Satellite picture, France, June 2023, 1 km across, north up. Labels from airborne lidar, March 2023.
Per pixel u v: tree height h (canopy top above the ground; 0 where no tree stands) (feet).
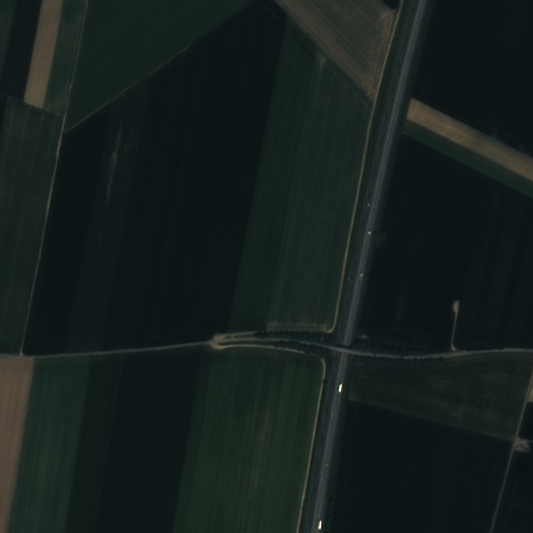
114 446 0
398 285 0
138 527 0
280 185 0
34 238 0
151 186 0
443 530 0
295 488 0
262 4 0
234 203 0
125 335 0
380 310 0
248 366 0
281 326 0
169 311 0
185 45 0
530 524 0
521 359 0
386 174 0
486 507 0
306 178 0
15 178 0
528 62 0
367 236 0
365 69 0
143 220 0
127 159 0
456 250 0
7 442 0
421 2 0
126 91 0
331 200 0
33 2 0
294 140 0
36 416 0
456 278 0
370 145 0
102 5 0
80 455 0
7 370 0
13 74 0
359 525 0
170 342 0
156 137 0
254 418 0
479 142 0
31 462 0
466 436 0
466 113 0
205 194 0
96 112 0
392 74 0
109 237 0
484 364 0
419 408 0
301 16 0
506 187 0
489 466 0
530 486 0
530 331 0
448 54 0
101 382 0
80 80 0
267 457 0
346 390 0
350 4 0
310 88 0
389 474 0
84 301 0
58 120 0
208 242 0
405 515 0
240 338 0
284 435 0
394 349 38
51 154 0
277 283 0
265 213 0
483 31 0
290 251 0
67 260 0
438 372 0
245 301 0
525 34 0
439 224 0
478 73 0
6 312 0
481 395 0
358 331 0
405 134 0
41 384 0
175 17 0
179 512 0
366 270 0
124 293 0
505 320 0
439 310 0
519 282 0
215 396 0
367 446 0
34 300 0
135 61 0
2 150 0
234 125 0
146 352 0
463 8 0
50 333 0
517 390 0
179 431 0
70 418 0
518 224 0
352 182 0
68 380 0
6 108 0
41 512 0
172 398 0
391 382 0
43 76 0
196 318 0
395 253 0
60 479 0
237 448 0
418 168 0
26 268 0
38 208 0
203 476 0
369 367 0
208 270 0
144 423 0
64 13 0
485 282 0
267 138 0
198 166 0
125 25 0
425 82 0
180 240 0
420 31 0
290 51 0
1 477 0
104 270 0
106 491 0
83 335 0
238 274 0
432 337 0
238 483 0
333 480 0
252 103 0
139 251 0
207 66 0
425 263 0
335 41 0
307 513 0
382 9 0
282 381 0
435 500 0
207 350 0
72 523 0
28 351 0
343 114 0
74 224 0
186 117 0
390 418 0
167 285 0
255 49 0
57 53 0
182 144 0
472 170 0
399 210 0
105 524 0
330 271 0
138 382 0
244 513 0
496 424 0
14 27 0
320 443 0
